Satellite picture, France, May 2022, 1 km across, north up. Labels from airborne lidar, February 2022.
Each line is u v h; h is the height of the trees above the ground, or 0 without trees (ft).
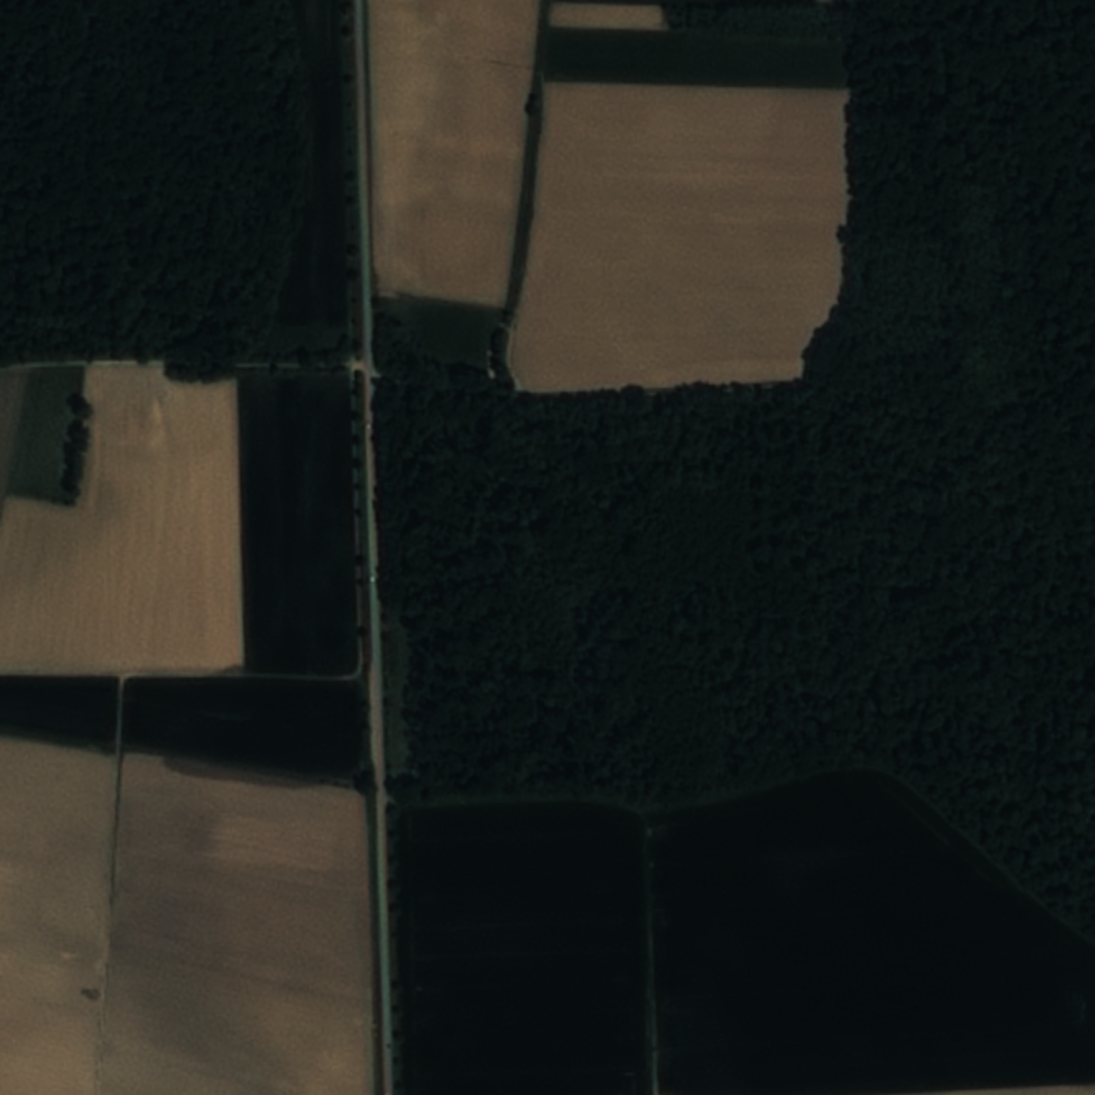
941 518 88
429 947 0
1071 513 65
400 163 0
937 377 88
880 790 0
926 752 96
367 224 0
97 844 0
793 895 0
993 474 83
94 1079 0
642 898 0
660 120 0
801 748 91
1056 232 80
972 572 95
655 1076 0
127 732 0
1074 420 94
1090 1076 0
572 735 98
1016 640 87
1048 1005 0
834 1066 0
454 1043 0
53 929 0
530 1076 0
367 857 0
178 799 0
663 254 0
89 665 0
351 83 30
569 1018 0
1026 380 73
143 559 0
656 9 0
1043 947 0
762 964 0
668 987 0
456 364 0
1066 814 85
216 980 0
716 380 0
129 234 99
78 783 0
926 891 0
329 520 0
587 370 0
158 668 0
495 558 97
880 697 85
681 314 0
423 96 0
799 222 0
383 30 0
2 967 0
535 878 0
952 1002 0
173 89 99
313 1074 0
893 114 70
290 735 0
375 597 0
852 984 0
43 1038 0
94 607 0
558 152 0
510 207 0
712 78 0
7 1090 0
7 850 0
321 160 0
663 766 45
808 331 0
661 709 52
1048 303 92
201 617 0
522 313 0
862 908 0
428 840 0
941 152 91
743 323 0
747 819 0
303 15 0
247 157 80
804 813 0
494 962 0
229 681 0
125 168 101
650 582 47
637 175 0
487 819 0
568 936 0
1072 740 71
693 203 0
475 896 0
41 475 0
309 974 0
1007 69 90
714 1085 0
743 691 87
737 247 0
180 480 0
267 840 0
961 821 60
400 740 0
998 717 82
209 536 0
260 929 0
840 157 0
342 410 0
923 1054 0
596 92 0
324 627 0
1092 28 83
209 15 91
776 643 53
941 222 81
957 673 90
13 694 0
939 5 78
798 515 89
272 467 0
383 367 35
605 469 106
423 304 0
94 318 87
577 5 0
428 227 0
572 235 0
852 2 33
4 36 79
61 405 0
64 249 83
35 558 0
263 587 0
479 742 90
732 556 48
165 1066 0
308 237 0
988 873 0
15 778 0
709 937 0
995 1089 0
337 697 0
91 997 0
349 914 0
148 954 0
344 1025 0
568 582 23
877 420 80
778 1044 0
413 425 77
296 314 0
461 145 0
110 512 0
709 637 88
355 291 0
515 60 0
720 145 0
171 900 0
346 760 0
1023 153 92
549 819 0
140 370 0
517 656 73
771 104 0
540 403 44
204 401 0
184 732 0
